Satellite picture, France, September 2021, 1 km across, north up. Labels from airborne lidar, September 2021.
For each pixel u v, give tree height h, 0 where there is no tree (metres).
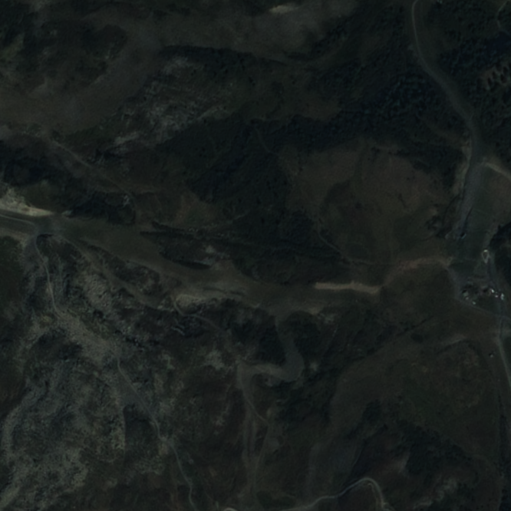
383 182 0
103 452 0
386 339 0
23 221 0
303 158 0
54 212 0
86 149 0
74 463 0
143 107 0
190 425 0
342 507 0
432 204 0
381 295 0
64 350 0
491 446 0
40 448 0
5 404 0
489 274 0
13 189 0
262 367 0
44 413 0
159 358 0
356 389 0
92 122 0
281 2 0
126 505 0
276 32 0
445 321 0
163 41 0
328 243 0
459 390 0
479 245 0
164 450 0
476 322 0
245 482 0
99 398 0
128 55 0
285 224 0
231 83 0
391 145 0
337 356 0
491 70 0
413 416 0
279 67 0
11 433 0
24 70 0
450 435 0
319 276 0
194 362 0
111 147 0
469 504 0
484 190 0
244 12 0
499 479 0
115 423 0
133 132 0
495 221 0
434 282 0
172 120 0
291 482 0
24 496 0
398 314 0
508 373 0
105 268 0
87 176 0
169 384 0
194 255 0
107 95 0
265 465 0
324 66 0
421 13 0
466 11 6
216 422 0
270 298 0
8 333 0
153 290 0
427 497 0
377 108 6
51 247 0
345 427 0
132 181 0
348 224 0
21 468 0
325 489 0
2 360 0
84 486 0
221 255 0
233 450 0
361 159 0
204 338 0
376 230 0
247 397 0
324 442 0
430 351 0
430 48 0
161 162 0
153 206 0
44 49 0
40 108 0
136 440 0
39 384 0
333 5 0
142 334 0
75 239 0
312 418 0
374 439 0
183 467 0
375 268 0
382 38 0
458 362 0
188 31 0
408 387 0
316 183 0
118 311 0
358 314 0
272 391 0
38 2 0
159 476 0
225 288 0
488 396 0
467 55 7
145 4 0
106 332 0
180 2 0
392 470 0
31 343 0
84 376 0
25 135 0
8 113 0
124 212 0
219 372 0
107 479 0
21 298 0
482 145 0
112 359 0
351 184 0
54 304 0
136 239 0
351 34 0
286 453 0
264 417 0
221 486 0
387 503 0
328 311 0
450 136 0
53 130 0
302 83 0
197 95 0
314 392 0
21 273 0
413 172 0
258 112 0
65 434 0
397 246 0
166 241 0
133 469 0
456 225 0
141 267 0
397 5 0
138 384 0
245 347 0
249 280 0
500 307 0
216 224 0
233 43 0
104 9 0
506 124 9
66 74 0
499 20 7
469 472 0
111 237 0
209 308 0
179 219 0
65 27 0
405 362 0
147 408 0
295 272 0
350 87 9
